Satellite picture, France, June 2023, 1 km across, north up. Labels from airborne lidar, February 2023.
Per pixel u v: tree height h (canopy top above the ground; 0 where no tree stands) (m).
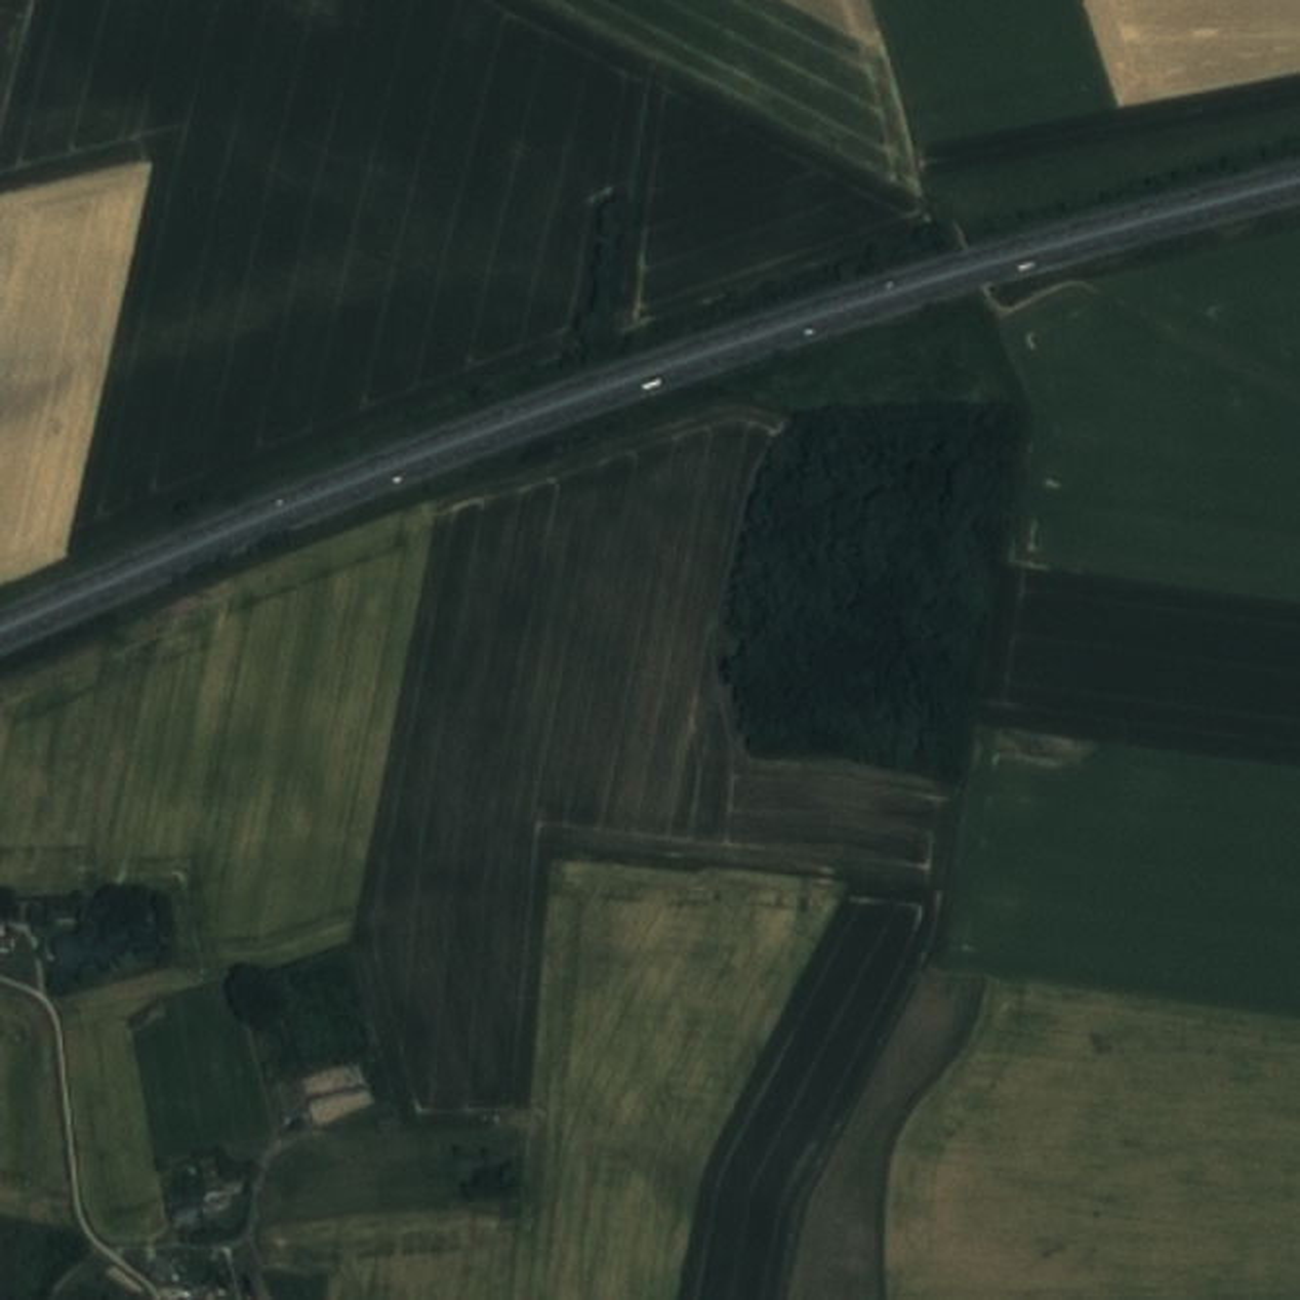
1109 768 0
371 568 0
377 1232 0
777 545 21
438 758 0
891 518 26
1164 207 0
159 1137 0
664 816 0
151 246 0
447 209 0
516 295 0
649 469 0
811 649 24
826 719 22
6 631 0
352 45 0
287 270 0
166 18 0
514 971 0
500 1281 0
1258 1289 0
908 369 0
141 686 0
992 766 0
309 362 0
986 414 11
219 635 0
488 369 0
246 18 0
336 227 0
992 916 0
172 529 0
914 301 0
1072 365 0
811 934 0
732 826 0
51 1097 0
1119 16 0
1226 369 0
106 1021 0
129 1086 0
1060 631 0
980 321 0
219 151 0
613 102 0
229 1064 0
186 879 0
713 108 0
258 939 0
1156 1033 0
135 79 0
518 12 0
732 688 17
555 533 0
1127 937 0
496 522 0
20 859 0
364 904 0
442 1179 0
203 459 0
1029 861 0
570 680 0
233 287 0
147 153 0
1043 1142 0
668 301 0
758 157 0
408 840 0
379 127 0
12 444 0
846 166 0
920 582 26
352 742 0
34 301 0
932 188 0
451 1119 0
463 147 0
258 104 0
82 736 0
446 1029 0
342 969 7
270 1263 0
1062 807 0
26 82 0
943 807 0
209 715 0
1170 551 0
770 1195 0
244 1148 0
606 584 0
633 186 0
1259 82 0
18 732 0
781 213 0
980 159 0
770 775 0
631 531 0
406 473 0
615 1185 0
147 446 0
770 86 0
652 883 0
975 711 6
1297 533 0
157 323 0
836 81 0
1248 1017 0
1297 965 0
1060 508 0
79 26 0
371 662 0
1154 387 0
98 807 0
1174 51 0
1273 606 0
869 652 24
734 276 0
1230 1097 0
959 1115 0
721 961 0
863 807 0
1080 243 0
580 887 0
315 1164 0
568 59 0
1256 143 0
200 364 0
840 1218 0
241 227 0
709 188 0
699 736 0
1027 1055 0
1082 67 0
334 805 0
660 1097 0
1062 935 0
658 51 0
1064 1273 0
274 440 0
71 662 0
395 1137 0
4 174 0
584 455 0
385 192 0
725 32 0
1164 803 0
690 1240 0
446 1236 0
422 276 0
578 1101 0
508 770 0
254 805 0
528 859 0
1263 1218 0
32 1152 0
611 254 16
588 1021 0
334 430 0
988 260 0
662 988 0
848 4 0
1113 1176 0
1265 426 0
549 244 0
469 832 0
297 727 0
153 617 0
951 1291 0
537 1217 0
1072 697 0
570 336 0
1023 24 0
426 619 0
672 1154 0
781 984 0
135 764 0
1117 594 0
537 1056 0
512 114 0
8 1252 0
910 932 0
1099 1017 0
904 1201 0
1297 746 0
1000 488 21
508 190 0
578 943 0
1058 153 0
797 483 19
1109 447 0
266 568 0
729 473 0
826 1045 0
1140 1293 0
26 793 0
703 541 0
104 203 0
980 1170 0
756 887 0
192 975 0
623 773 0
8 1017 0
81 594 0
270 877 0
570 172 0
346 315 0
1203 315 0
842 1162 0
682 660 0
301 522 0
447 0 0
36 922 12
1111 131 0
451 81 0
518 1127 0
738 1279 0
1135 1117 0
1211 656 0
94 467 0
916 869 0
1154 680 0
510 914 0
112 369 0
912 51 0
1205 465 0
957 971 0
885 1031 0
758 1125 0
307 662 0
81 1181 0
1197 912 0
